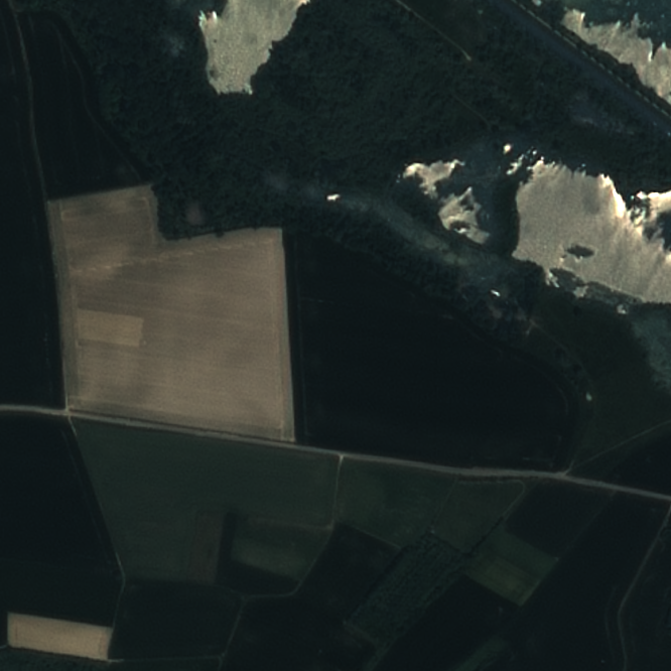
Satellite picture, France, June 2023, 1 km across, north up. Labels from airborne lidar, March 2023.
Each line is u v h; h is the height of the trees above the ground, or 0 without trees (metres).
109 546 0
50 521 0
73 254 0
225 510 0
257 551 0
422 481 0
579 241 0
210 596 0
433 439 0
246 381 0
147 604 0
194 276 0
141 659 0
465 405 0
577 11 0
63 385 0
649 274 0
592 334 0
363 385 0
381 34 6
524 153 0
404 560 9
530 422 0
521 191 0
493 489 0
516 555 0
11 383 0
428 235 0
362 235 9
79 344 0
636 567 0
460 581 0
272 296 0
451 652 0
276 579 0
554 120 7
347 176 7
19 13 0
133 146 15
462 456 0
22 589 0
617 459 0
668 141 9
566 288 0
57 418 0
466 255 0
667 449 0
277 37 0
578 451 0
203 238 0
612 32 0
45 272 0
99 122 0
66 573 0
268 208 6
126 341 0
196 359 0
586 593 0
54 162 0
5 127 0
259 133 9
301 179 6
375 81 6
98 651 0
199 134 7
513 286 10
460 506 0
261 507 0
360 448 0
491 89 12
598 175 0
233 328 0
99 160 0
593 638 0
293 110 7
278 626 0
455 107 9
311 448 0
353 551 0
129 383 0
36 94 0
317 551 0
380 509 0
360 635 0
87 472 0
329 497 0
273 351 0
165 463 0
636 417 0
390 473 0
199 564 0
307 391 0
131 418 0
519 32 7
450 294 12
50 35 0
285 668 0
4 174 0
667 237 0
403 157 8
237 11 0
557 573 0
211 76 0
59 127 0
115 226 0
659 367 0
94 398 0
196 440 0
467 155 0
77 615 0
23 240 0
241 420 0
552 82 27
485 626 0
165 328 0
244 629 0
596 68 0
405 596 11
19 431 0
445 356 0
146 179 0
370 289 0
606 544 0
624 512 0
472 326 0
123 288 0
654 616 0
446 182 0
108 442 0
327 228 13
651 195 0
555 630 0
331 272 0
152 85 18
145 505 0
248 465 0
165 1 16
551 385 0
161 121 26
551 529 0
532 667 0
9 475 0
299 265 0
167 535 0
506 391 0
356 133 6
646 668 0
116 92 19
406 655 0
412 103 6
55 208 0
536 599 0
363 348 0
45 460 0
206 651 0
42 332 0
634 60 0
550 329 0
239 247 0
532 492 0
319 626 0
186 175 23
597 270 0
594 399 0
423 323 0
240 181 6
